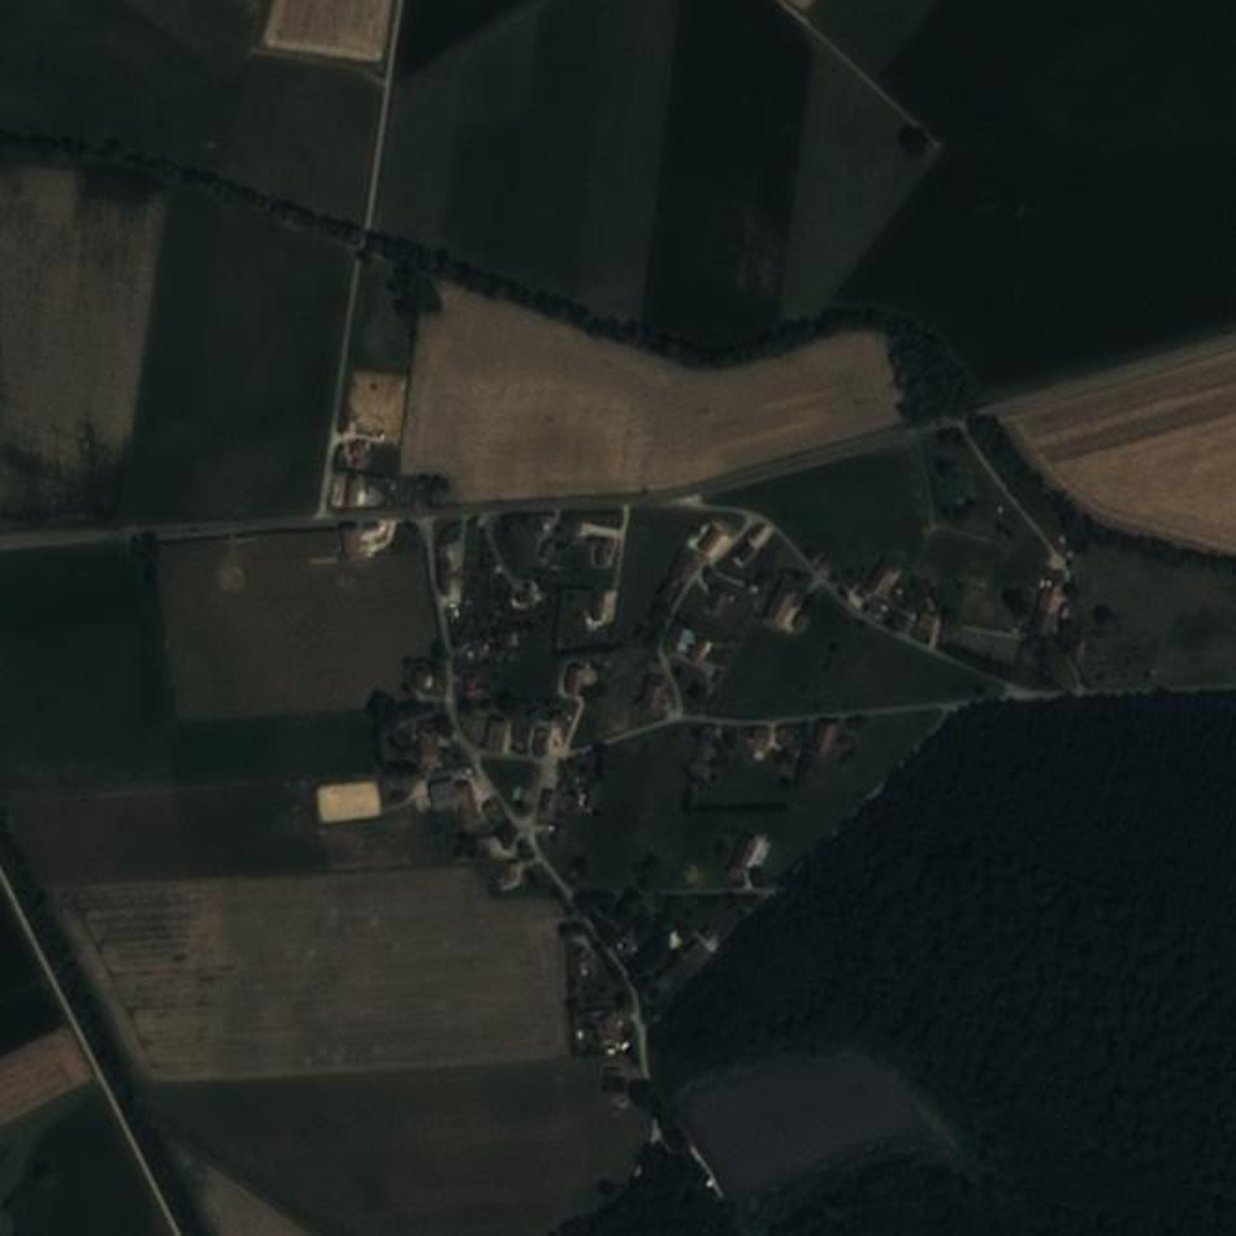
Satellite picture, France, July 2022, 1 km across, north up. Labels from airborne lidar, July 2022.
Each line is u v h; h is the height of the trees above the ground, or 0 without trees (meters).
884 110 0
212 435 0
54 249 0
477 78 0
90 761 0
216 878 0
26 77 0
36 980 0
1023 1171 16
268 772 0
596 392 0
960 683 0
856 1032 21
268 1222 0
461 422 0
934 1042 21
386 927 0
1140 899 22
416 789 0
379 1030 0
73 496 0
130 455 0
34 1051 0
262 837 0
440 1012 0
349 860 0
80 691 0
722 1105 0
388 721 18
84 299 0
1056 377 0
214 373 0
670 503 0
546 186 0
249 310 0
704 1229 15
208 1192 0
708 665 0
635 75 0
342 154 0
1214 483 0
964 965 15
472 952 0
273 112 0
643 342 17
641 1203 21
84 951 0
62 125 0
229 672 0
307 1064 0
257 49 0
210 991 0
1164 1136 22
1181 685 0
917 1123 0
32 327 0
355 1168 0
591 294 0
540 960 0
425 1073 0
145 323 0
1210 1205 17
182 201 0
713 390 0
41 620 0
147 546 15
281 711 0
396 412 0
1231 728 12
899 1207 19
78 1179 0
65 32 0
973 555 0
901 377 20
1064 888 12
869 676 0
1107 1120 12
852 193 0
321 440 0
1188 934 19
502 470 0
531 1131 0
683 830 0
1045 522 26
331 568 0
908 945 20
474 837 6
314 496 0
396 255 11
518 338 0
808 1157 0
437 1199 0
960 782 19
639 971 14
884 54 0
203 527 0
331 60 0
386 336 0
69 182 0
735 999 18
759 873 9
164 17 0
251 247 0
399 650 0
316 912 0
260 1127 0
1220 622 0
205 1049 0
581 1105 0
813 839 0
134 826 0
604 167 0
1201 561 10
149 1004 0
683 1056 18
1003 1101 23
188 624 0
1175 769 18
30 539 0
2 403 0
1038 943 23
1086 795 18
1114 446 0
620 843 0
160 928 0
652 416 0
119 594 0
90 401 0
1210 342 0
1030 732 18
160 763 0
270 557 0
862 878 17
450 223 0
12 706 0
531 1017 0
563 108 0
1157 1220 14
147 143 0
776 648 0
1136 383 0
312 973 0
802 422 0
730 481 0
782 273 0
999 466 25
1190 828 15
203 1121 0
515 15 0
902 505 0
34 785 0
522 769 0
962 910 24
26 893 9
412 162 0
